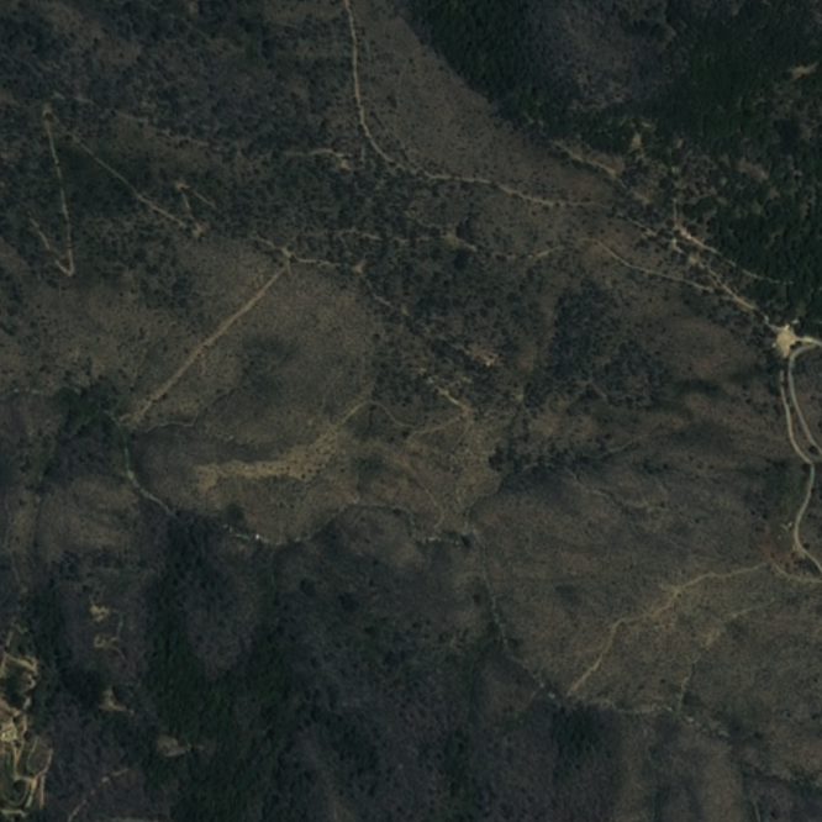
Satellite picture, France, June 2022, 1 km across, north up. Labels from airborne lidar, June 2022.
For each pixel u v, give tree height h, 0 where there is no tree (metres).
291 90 0
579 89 7
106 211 10
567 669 0
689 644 0
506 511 0
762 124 9
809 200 7
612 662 0
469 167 0
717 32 10
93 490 0
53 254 12
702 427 0
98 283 0
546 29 7
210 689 14
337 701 14
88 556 9
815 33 7
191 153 0
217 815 12
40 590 9
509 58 18
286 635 21
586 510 0
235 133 12
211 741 12
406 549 0
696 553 0
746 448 0
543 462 13
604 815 9
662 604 0
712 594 0
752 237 17
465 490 0
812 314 10
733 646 0
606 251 0
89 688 8
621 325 7
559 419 0
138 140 0
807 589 0
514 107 8
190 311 13
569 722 17
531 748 11
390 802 10
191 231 9
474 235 7
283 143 11
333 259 10
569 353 8
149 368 0
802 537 0
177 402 0
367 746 10
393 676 10
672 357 0
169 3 14
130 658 19
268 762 11
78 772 18
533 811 10
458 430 0
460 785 9
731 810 0
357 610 13
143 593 6
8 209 11
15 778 0
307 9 0
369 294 7
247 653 17
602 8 12
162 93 11
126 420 0
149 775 14
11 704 6
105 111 6
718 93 13
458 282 7
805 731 0
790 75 12
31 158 13
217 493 0
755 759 0
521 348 8
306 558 0
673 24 15
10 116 11
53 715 10
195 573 13
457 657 14
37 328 9
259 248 10
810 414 0
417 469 0
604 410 0
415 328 8
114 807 10
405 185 10
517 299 12
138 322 0
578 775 16
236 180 7
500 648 7
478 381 12
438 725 6
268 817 12
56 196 12
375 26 0
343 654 9
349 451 0
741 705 0
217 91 19
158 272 15
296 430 0
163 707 14
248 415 0
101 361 0
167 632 9
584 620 0
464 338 9
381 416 0
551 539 0
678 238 9
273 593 9
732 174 9
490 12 18
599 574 0
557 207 9
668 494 0
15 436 13
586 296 8
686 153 8
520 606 0
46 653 11
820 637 0
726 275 8
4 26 6
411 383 9
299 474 0
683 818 0
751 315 7
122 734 11
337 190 11
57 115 11
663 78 8
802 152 14
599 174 10
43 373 10
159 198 12
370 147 7
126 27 12
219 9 13
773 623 0
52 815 8
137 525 10
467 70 11
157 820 9
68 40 6
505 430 0
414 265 9
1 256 0
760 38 11
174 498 0
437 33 11
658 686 0
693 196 8
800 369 7
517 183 6
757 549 0
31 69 8
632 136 13
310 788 9
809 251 7
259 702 18
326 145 10
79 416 11
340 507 0
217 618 11
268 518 0
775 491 12
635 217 9
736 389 0
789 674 0
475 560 0
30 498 0
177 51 17
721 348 0
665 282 9
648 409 8
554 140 11
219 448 0
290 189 10
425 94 0
